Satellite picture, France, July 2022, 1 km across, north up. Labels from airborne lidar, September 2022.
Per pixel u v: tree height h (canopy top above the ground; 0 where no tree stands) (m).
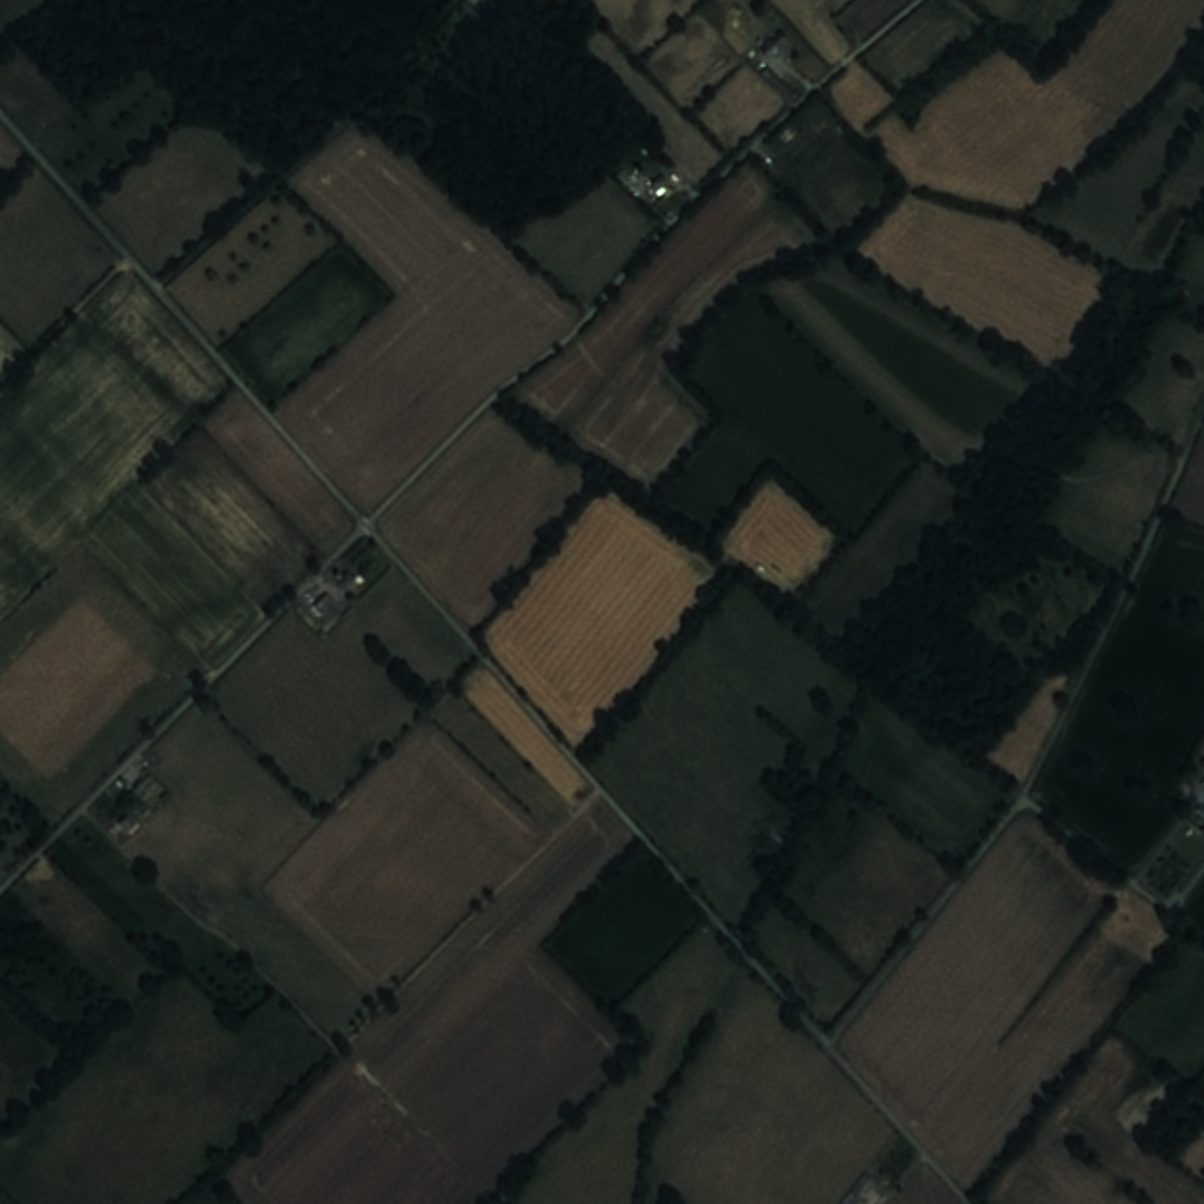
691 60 0
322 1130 0
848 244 16
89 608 0
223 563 0
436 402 0
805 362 0
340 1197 0
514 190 19
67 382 0
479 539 0
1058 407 20
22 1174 0
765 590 12
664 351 0
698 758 0
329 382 0
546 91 27
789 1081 0
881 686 21
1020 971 0
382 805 0
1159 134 0
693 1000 0
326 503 0
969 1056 0
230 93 24
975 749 8
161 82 13
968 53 28
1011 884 0
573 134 27
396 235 0
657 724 0
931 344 0
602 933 0
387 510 0
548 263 0
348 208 0
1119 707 21
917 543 0
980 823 0
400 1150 0
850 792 14
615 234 0
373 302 0
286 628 0
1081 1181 0
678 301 0
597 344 0
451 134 21
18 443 0
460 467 0
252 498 0
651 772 0
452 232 0
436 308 0
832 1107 0
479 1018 0
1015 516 13
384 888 0
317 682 0
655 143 18
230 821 0
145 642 0
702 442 11
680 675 0
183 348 0
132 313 0
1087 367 20
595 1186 0
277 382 0
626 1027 17
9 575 0
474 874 0
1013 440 22
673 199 0
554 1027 0
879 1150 0
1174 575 0
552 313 0
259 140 25
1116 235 0
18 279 0
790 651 0
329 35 27
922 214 0
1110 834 0
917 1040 0
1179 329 0
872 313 0
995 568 15
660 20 0
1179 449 18
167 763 0
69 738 0
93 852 0
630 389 0
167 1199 0
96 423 0
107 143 0
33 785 0
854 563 0
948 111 0
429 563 0
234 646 0
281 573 0
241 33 27
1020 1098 0
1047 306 0
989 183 0
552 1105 0
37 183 0
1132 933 0
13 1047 0
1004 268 0
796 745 9
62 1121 0
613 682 0
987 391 0
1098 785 0
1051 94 0
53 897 0
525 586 8
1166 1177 0
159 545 0
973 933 0
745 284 16
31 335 0
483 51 27
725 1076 0
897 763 0
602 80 19
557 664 0
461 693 8
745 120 0
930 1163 0
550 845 0
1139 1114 0
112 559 0
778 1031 0
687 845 0
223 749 0
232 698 0
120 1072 0
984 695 8
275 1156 0
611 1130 0
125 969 0
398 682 14
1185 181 0
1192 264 0
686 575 0
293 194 11
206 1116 0
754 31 0
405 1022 0
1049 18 0
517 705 0
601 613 0
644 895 0
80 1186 0
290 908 0
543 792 0
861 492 0
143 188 0
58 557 0
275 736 0
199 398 0
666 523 16
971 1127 0
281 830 0
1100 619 16
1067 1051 0
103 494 0
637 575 0
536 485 0
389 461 0
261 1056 0
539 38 26
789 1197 0
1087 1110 0
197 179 0
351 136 0
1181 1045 0
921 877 0
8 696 0
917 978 0
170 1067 0
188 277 0
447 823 0
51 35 22
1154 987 16
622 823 0
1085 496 0
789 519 0
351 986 0
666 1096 9
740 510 6
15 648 0
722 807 0
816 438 0
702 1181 0
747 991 0
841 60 0
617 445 0
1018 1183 0
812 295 0
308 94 22
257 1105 0
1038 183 0
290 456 0
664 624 0
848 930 0
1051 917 0
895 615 22
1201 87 14
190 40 22
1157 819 0
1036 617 0
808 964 0
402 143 15
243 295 0
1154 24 0
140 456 0
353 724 0
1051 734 0
